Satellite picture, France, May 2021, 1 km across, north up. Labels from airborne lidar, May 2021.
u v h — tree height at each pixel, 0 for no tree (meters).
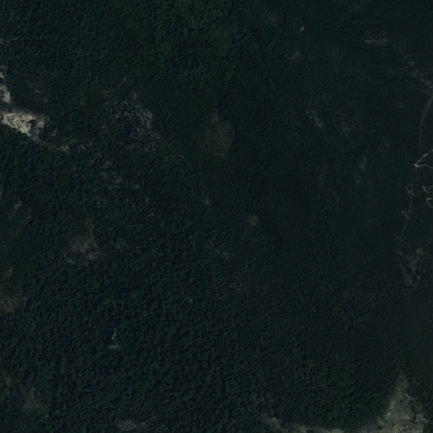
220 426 21
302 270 9
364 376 11
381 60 6
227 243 8
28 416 8
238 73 14
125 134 8
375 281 11
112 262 6
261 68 8
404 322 7
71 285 22
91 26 7
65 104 9
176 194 11
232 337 22
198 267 12
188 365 24
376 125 7
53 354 8
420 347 12
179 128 14
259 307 11
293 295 15
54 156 14
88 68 12
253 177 12
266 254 13
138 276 7
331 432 0
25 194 12
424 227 8
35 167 22
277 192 12
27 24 17
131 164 17
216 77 10
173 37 15
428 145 6
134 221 11
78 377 9
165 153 8
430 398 13
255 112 10
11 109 9
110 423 23
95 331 21
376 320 8
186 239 12
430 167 6
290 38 10
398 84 6
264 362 16
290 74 7
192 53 17
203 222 11
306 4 9
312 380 13
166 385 22
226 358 17
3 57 9
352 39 10
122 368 24
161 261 15
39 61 11
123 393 22
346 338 15
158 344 6
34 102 6
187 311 21
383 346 9
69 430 30
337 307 14
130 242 9
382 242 8
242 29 16
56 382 10
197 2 18
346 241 11
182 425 7
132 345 9
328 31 8
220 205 14
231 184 11
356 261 11
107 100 17
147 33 6
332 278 14
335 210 6
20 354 22
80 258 27
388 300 9
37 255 19
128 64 11
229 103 13
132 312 22
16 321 23
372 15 6
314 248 15
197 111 13
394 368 9
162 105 7
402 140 8
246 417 34
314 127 8
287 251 13
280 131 10
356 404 12
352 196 6
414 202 6
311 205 13
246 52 13
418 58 6
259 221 9
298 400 17
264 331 12
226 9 22
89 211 18
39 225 27
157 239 27
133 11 10
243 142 10
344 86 6
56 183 25
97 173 10
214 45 16
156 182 14
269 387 9
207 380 28
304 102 9
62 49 11
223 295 16
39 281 26
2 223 7
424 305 13
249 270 9
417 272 10
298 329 12
